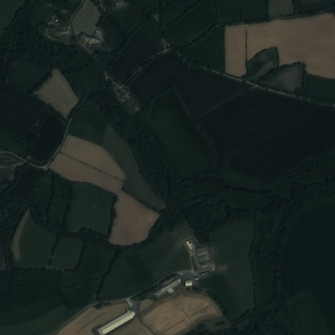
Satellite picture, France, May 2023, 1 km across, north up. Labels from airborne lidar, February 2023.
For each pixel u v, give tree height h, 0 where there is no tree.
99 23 10
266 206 0
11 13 0
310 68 0
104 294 0
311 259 0
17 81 0
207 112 0
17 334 0
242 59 0
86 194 0
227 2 0
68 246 0
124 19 0
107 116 6
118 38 0
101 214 0
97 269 0
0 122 0
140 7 14
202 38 13
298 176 8
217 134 0
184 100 0
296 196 22
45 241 0
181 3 0
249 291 0
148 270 0
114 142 0
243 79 14
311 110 0
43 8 0
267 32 0
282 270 31
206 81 0
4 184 14
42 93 0
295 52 0
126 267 0
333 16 0
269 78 9
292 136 0
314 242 0
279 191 0
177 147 0
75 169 0
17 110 0
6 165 0
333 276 0
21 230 0
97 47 0
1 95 0
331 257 0
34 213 16
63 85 0
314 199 17
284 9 0
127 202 0
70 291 0
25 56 23
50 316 0
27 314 0
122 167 0
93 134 0
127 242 0
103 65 25
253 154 0
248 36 0
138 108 0
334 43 0
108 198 0
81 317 0
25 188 8
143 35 0
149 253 0
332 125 0
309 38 0
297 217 0
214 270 0
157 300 0
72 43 8
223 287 0
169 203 11
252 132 0
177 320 0
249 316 12
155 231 7
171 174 8
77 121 0
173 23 8
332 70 0
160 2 8
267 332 29
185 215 18
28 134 0
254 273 8
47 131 0
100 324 0
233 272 0
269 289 0
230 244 0
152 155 21
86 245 16
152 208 11
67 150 0
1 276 19
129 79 11
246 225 0
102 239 14
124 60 0
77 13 0
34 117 0
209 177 11
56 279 17
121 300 0
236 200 0
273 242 0
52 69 14
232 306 0
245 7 0
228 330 7
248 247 0
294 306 0
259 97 0
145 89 0
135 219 0
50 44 9
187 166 0
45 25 10
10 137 0
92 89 0
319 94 0
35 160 0
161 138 0
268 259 28
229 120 0
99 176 0
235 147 0
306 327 0
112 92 0
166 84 0
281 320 0
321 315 0
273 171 0
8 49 7
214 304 0
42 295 17
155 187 11
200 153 0
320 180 0
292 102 0
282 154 0
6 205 19
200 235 15
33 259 0
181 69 0
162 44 0
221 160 0
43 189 0
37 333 0
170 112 0
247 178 0
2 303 18
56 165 0
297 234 0
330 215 0
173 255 0
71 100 0
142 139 24
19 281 16
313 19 0
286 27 0
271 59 0
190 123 0
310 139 0
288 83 0
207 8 0
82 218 0
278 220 0
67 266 0
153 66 0
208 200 30
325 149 0
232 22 7
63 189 0
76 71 7
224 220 21
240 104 0
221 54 0
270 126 0
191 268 0
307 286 0
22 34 14
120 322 0
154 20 9
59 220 0
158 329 0
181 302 0
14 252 0
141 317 0
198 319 0
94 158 0
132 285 0
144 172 11
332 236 0
